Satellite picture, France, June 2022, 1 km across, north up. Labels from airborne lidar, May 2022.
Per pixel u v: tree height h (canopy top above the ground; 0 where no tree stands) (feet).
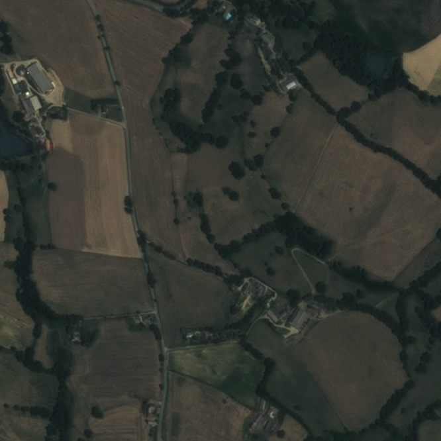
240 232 0
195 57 0
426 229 0
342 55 83
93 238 0
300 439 0
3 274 0
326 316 0
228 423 0
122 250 0
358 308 55
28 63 0
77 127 0
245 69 0
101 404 0
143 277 0
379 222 0
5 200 0
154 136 0
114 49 0
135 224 0
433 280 41
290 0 0
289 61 31
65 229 0
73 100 0
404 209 0
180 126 92
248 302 0
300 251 0
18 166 25
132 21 0
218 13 31
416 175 44
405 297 69
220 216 0
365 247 0
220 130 0
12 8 0
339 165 0
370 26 0
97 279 0
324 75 0
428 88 0
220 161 0
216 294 0
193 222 0
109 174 0
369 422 0
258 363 0
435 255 0
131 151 0
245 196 0
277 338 0
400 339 57
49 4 0
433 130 0
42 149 0
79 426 0
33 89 0
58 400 62
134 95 0
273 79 0
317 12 0
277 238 0
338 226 0
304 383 0
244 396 0
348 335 0
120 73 0
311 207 0
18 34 0
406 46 0
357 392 0
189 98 0
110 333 0
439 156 0
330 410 0
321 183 0
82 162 0
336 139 0
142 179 0
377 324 0
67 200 0
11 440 0
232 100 0
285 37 0
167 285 0
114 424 0
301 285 0
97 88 0
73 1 0
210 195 0
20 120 47
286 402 0
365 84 69
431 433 0
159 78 0
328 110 51
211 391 0
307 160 0
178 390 0
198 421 0
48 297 0
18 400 0
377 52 25
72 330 52
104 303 0
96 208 0
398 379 0
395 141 0
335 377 0
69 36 0
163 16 0
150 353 0
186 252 0
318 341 0
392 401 61
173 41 0
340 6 0
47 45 0
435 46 0
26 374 0
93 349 0
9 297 0
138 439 0
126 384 0
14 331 0
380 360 0
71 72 0
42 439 0
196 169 0
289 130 0
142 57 0
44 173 0
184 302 0
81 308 0
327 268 0
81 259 0
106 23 0
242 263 0
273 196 50
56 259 0
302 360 0
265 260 0
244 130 0
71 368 0
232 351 0
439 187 49
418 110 0
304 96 0
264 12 61
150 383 0
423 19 0
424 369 71
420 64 0
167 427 0
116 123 0
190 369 0
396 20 0
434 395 0
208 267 53
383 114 0
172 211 0
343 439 0
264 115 0
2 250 0
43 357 0
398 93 0
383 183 0
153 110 0
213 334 42
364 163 0
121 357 0
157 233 0
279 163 0
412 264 0
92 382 0
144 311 0
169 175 0
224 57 0
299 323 0
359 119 0
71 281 0
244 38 0
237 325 46
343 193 0
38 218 0
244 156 0
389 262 0
